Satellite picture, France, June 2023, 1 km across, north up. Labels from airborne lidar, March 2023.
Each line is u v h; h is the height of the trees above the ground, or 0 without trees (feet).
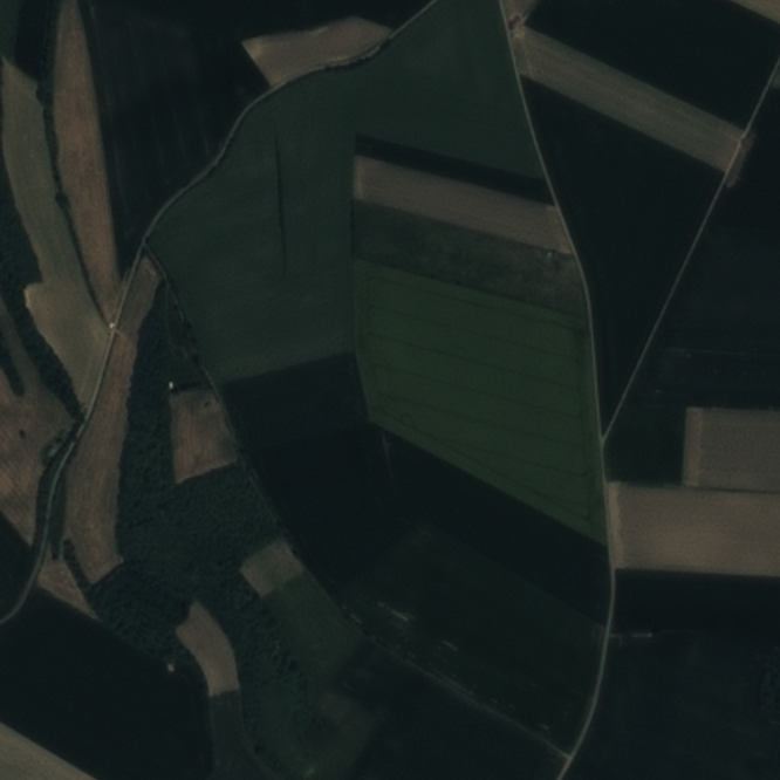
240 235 0
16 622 0
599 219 0
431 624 0
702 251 0
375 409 0
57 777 0
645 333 0
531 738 0
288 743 0
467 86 0
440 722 0
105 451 0
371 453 0
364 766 0
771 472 0
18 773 0
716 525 0
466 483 0
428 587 0
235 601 45
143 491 49
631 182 0
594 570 0
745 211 0
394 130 0
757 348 0
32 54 0
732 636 0
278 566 0
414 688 0
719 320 0
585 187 0
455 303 0
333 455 0
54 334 0
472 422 0
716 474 0
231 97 0
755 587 0
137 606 44
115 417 0
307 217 0
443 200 0
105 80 0
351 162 0
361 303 0
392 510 0
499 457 0
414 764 0
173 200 0
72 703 0
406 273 0
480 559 0
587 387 0
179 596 17
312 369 0
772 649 0
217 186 0
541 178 0
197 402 0
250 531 22
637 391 0
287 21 0
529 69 0
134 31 0
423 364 0
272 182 0
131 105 0
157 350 74
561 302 0
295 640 0
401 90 0
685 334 0
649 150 0
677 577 0
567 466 0
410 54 0
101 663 0
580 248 0
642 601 0
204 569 19
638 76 0
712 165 0
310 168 0
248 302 0
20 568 0
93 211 0
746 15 0
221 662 0
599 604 0
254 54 0
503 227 0
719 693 0
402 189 0
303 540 0
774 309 0
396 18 0
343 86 0
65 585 0
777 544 0
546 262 0
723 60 0
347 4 0
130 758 0
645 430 0
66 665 0
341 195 0
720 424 0
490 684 0
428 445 0
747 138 0
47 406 0
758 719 0
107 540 0
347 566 0
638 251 0
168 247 0
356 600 0
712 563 0
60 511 0
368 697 0
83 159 0
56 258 0
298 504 0
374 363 0
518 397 0
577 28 0
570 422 0
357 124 0
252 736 19
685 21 0
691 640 0
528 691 0
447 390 0
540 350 0
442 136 0
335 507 0
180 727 0
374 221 0
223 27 0
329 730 0
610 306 0
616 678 0
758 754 0
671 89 0
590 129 0
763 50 0
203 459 0
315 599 0
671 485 0
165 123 0
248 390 0
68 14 0
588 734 0
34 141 0
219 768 0
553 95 0
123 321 0
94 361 0
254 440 0
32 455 0
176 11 0
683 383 0
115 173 0
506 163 0
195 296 0
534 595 0
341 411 0
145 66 0
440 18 0
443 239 0
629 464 0
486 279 0
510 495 0
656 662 0
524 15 0
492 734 0
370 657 0
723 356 0
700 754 0
